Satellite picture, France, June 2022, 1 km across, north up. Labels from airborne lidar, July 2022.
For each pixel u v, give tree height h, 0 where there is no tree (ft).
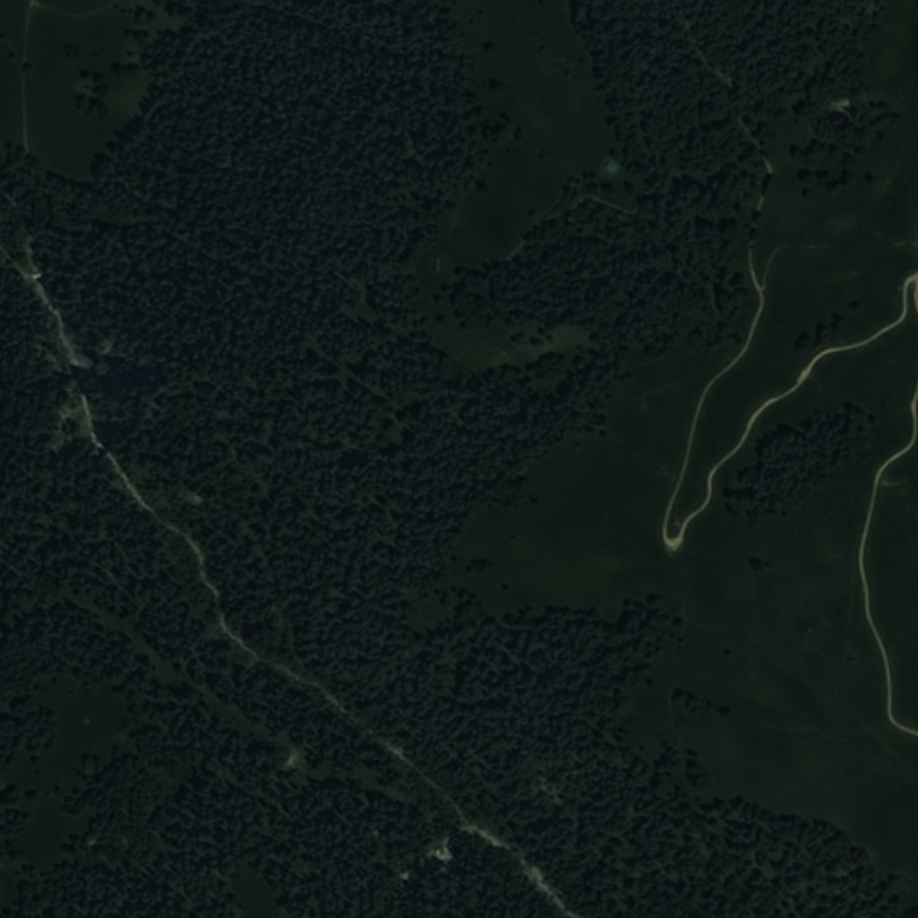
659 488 0
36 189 45
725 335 47
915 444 0
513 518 0
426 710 69
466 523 65
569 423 94
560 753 68
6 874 0
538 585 0
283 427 61
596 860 44
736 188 61
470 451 79
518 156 0
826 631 0
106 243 101
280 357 31
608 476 0
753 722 0
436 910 42
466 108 37
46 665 48
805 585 0
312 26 27
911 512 0
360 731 31
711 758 0
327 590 48
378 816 71
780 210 0
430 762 30
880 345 0
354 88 23
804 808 0
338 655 65
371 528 93
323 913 22
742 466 0
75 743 0
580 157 0
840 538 0
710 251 83
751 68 78
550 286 71
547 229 45
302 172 40
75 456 71
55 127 0
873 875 58
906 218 0
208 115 73
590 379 77
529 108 0
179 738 73
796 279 0
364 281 79
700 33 52
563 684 66
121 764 44
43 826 0
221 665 98
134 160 59
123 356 33
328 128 84
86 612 37
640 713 0
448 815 32
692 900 41
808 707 0
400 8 52
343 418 66
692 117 74
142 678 84
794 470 62
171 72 43
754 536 0
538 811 94
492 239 0
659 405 0
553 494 0
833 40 68
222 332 80
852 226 0
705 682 0
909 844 0
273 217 81
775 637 0
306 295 91
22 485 116
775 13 83
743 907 37
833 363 0
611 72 79
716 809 56
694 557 0
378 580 89
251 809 94
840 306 0
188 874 89
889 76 0
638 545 0
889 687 0
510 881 81
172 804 34
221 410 56
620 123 62
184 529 30
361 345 60
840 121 87
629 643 24
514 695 80
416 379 71
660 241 22
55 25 0
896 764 0
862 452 54
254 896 0
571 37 0
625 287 35
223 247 76
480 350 0
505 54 0
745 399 0
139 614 123
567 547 0
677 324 90
